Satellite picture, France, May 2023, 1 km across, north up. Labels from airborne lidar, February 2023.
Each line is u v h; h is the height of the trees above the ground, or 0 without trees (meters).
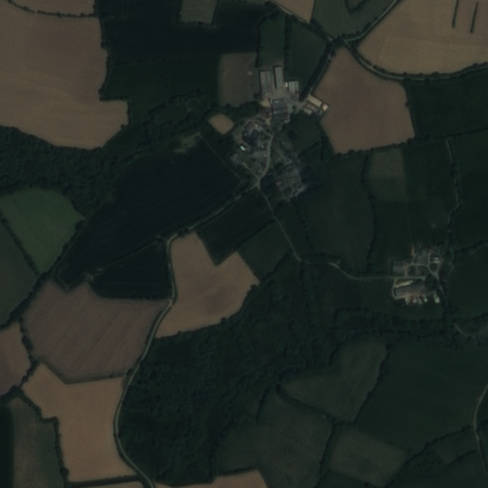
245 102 0
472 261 0
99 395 0
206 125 8
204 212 0
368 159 7
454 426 0
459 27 0
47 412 0
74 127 0
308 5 0
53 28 0
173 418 8
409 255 0
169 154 0
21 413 0
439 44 0
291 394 0
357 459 0
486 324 14
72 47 0
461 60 0
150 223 0
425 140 8
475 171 0
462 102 0
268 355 0
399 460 0
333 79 0
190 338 8
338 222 0
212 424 0
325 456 8
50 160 12
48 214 0
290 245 0
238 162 0
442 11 0
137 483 0
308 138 0
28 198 0
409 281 0
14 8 0
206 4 0
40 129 0
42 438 0
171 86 0
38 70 0
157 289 0
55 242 0
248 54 0
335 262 12
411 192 0
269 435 0
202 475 7
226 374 0
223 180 0
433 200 0
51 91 0
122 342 0
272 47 0
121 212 0
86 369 0
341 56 0
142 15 0
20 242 10
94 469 0
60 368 0
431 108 0
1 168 7
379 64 0
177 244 0
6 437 0
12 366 0
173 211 0
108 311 0
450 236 11
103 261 0
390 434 0
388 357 7
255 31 0
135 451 0
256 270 0
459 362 0
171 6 0
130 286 0
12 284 0
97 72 0
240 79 0
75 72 0
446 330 8
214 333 14
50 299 0
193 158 0
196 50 0
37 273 7
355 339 18
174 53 0
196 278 0
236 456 0
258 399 0
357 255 0
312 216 0
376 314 6
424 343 8
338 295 0
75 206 17
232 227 0
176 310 0
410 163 0
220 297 0
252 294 13
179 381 10
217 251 0
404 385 0
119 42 0
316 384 0
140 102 0
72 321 0
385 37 0
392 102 0
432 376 0
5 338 0
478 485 0
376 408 0
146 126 14
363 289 0
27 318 0
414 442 0
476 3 0
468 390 0
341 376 0
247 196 11
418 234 0
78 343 0
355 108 0
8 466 0
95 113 0
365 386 0
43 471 0
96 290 0
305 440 0
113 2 0
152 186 0
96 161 9
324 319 0
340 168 0
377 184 0
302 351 14
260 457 0
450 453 0
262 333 13
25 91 0
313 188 8
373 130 0
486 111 0
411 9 0
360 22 0
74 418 0
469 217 0
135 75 0
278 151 0
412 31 0
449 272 0
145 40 0
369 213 0
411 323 9
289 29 9
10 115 0
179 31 0
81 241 0
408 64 0
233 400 6
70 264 0
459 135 7
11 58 0
